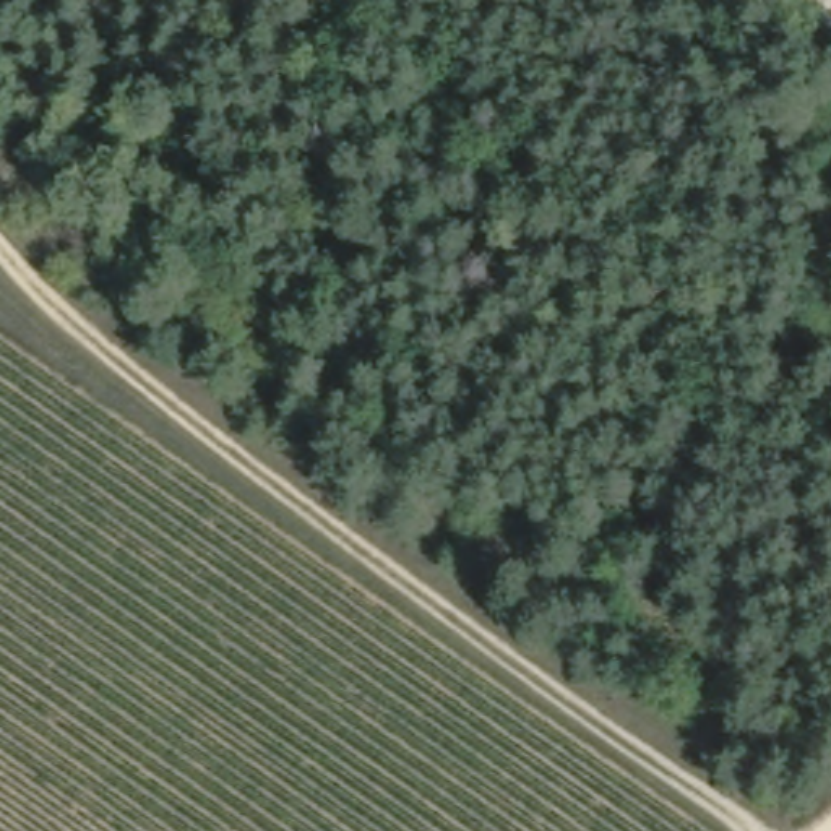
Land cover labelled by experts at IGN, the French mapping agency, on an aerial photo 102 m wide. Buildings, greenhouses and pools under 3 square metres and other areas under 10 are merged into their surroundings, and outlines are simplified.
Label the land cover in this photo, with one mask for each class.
<instances>
[{"label":"coniferous trees","instance_id":"1","mask_svg":"<svg viewBox=\"0 0 831 831\"><path fill-rule=\"evenodd\" d=\"M321 29L338 39V55H354L351 71L344 75L347 97L328 110V123L308 107L305 97L328 71L312 68L308 36H318ZM519 107H532L536 123L529 133H523L519 146L506 153V169L480 166L474 172L471 166L448 162L454 123L474 114L477 123H490V130H497ZM821 143H831V0H0V230L29 260V266L55 292H62L84 318H91L104 334L120 341L146 370H153L201 416L237 435L260 461L292 477L302 490L318 497L321 506L338 513L344 523H351L357 532H364L370 542H377L383 552L403 562L412 575L428 581L454 604L474 610L484 623L503 633L523 656L539 662L545 672L558 675L581 698L597 704L604 714L620 721L626 730H633L665 756L695 769L708 786L737 799L766 828L776 831H831V347H818V334L799 321V315L815 292L825 305H831V162L818 175L799 172L795 159ZM195 240L230 247L234 263H211L198 276L192 256L185 253ZM321 260H334L341 273V292L331 302L315 299V269ZM682 312H717L721 318L734 321L740 357L743 364H750L753 373L747 380V396L760 399L753 406L756 428L750 432L747 451H734L737 435L711 432L701 422H688L691 409L672 396L675 364L662 360L659 341L672 328L685 325ZM390 325L406 328L409 341H422L428 354H419L416 364H399L393 383L380 386V377L370 367V360L383 354L380 338L390 331ZM367 399L383 403L380 428L354 425L347 419ZM604 555H610L623 568V575L643 591V607L633 623L614 620L610 581L594 578V565H601Z\"/></svg>","mask_w":831,"mask_h":831},{"label":"vineyard","instance_id":"2","mask_svg":"<svg viewBox=\"0 0 831 831\"><path fill-rule=\"evenodd\" d=\"M0 831H730L704 808L659 782L656 776H649L646 769H639L636 763H630L623 753L597 740L581 724H575L568 714L532 695L497 662L471 649L461 636L445 630L399 591L370 575L360 562L344 555L312 526H305L295 513L279 506L234 467H227L217 454L198 445L192 435H185L123 380H117L104 364H97L84 347H78L62 328H55L0 269Z\"/></svg>","mask_w":831,"mask_h":831},{"label":"pervious surface","instance_id":"3","mask_svg":"<svg viewBox=\"0 0 831 831\"><path fill-rule=\"evenodd\" d=\"M0 269L55 328H62L78 347H84L97 364H104L117 380H123L185 435H192L198 445L217 454L227 467H234L279 506L295 513L305 526H312L344 555L360 562L370 575L399 591L445 630L461 636L471 649L497 662L532 695L568 714L575 724H581L597 740L623 753L630 763H636L639 769H646L649 776H656L659 782L704 808L730 831H776L766 828L737 799L708 786L695 769L665 756L633 730H626L620 721L604 714L597 704L581 698L558 675L545 672L539 662L523 656L503 633L484 623L474 610L454 604L428 581L412 575L403 562L383 552L377 542H370L364 532H357L351 523H344L338 513L321 506L318 497L302 490L292 477L260 461L237 435L201 416L153 370H146L120 341L104 334L91 318H84L62 292H55L29 266V260L0 230Z\"/></svg>","mask_w":831,"mask_h":831},{"label":"deciduous trees","instance_id":"4","mask_svg":"<svg viewBox=\"0 0 831 831\"><path fill-rule=\"evenodd\" d=\"M312 68L328 71L305 97L308 107L328 123V110L347 97L344 75L351 71L354 55H338V39L321 29L318 36H308ZM536 123L532 107H519L497 130H490V123H477L474 114L454 123L448 162L471 166L474 172L480 166L506 169V153L519 146L523 133H529ZM831 162V143H821L795 159L799 172L818 175ZM185 253L192 256L198 276L211 263H234L230 247L195 240ZM315 299L331 302L341 292V273L334 260H321L315 269ZM799 321L818 334V347H831V305H825L815 292L799 315ZM685 325L672 328L659 341L662 360L675 364L672 396L691 409L688 422H701L711 432L737 435L734 451H747L750 432L756 428L753 406L760 399L747 396V380L753 373L750 364H743L740 357L734 321L721 318L717 312H682ZM383 354L370 360V367L380 377V386L393 383L399 364H416L419 354H428L422 341H409L406 328L390 325V331L380 338ZM347 419L354 425L380 428L383 403L367 399ZM594 578L610 581L614 620L633 623L643 607V591L623 575V568L610 555H604L601 565H594Z\"/></svg>","mask_w":831,"mask_h":831}]
</instances>
